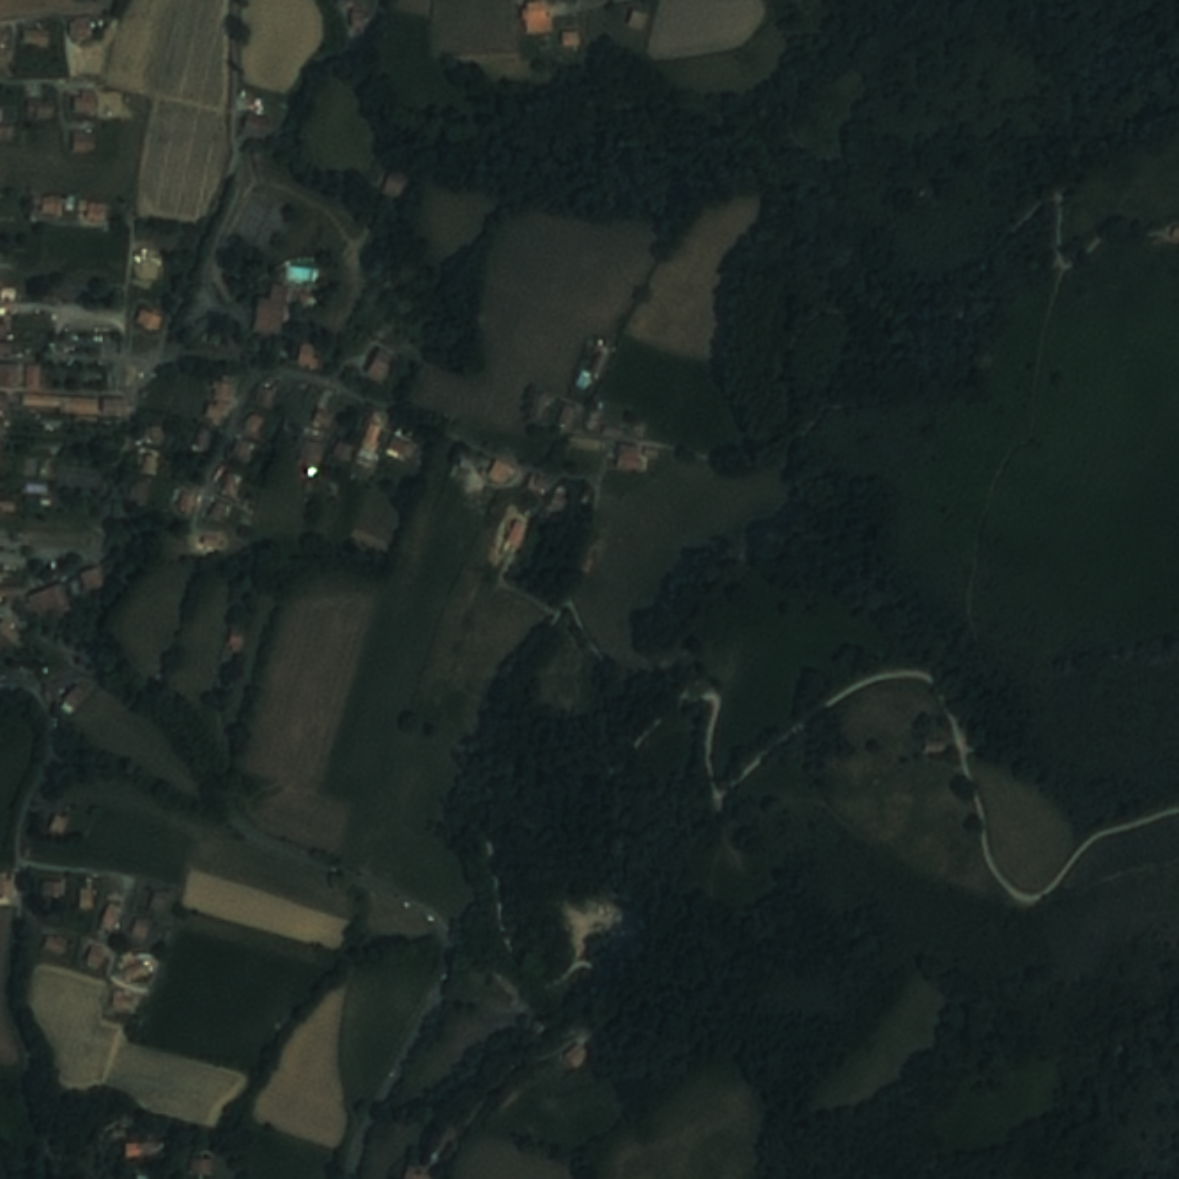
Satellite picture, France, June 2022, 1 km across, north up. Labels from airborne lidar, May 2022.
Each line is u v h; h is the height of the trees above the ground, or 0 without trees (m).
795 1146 22
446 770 0
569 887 15
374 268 27
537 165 30
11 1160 23
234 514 0
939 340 26
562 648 0
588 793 18
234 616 14
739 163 22
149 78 0
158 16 0
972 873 0
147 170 0
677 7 0
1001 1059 24
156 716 16
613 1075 11
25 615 6
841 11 21
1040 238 8
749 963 19
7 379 0
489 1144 0
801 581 16
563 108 32
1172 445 0
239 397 0
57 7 0
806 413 18
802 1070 22
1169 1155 11
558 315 0
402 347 0
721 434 0
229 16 0
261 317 0
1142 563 0
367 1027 0
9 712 13
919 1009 0
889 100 10
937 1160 12
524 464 6
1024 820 0
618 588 0
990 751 16
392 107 32
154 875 0
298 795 0
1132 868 0
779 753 9
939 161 14
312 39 0
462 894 0
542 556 12
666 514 0
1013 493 0
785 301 7
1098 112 13
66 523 0
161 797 20
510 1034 13
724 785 6
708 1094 0
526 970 21
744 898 0
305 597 0
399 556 6
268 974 0
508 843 20
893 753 0
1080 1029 11
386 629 0
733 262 21
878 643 0
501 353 0
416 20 0
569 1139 0
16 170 0
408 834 0
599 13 0
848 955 12
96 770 20
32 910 18
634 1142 0
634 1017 12
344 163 0
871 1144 15
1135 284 0
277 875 0
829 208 21
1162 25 17
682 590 25
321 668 0
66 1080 0
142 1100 0
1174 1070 17
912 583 9
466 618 0
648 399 0
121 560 11
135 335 0
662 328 0
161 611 0
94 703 0
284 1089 0
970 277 12
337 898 0
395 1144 0
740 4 0
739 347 35
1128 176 0
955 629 11
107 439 9
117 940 13
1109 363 0
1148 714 0
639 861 18
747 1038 19
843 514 24
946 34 7
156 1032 0
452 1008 9
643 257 0
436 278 15
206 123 0
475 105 26
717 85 0
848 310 15
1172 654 6
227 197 7
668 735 0
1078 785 8
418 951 10
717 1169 0
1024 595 0
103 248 0
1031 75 0
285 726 0
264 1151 0
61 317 0
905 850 0
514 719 25
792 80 22
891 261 15
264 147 8
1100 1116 19
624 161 8
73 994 0
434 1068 0
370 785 0
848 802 0
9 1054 0
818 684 14
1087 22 26
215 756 29
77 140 0
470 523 0
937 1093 19
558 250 0
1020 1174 18
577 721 9
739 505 0
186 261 11
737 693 0
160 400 0
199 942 0
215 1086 0
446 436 7
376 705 0
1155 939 7
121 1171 14
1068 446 0
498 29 0
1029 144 8
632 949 44
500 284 0
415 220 18
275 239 6
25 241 13
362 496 0
